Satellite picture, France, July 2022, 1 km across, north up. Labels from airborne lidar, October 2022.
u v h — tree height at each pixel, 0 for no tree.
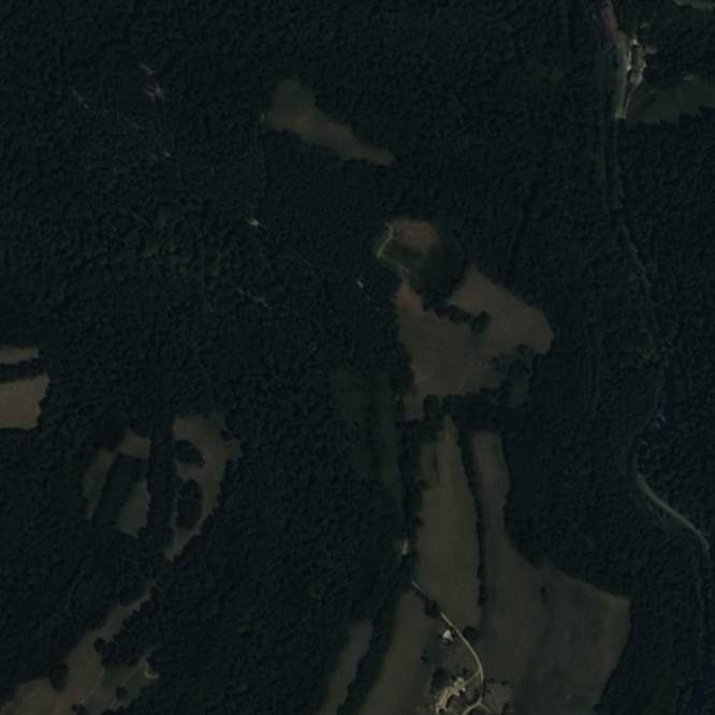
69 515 24
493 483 0
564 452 23
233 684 34
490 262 22
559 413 26
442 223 12
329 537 32
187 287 29
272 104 12
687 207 33
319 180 31
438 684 8
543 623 0
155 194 29
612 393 32
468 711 0
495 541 0
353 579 20
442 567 0
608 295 30
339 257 28
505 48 14
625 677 19
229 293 11
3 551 24
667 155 37
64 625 17
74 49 29
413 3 21
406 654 0
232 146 14
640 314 11
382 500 20
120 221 33
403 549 0
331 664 17
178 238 26
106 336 23
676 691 23
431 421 14
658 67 28
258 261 12
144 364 30
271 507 34
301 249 30
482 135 30
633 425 28
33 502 16
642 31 10
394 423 0
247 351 19
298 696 26
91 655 0
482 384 0
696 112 0
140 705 10
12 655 13
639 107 0
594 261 12
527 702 0
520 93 32
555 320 19
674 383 37
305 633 19
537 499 20
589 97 12
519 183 23
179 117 23
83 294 30
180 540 0
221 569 19
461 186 30
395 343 18
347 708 12
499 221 28
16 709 0
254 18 12
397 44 16
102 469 0
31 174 30
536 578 0
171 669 15
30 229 28
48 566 8
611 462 28
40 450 24
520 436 18
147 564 33
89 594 29
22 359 0
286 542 33
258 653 10
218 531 21
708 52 9
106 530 20
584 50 23
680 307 31
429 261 0
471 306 0
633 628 9
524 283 18
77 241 25
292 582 17
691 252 28
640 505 17
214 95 17
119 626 0
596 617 0
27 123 23
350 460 29
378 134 19
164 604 17
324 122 0
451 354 0
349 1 26
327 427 28
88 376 32
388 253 0
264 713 28
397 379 25
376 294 27
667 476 26
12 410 0
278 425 36
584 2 10
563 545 30
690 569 25
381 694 0
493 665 0
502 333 0
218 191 28
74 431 25
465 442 15
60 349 23
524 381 0
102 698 0
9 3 14
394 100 39
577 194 38
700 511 27
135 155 29
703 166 22
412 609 0
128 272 17
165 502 29
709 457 17
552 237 27
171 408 32
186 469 0
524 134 28
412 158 25
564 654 0
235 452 0
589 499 36
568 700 0
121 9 26
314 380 30
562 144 28
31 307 26
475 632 21
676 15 12
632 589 30
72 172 25
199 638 22
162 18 14
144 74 21
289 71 16
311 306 34
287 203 29
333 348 18
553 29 23
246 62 17
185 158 28
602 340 20
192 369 34
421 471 19
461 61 35
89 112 29
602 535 30
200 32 11
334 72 40
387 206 24
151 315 32
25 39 29
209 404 34
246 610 28
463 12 15
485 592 12
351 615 10
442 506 0
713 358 33
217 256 25
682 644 25
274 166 30
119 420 8
